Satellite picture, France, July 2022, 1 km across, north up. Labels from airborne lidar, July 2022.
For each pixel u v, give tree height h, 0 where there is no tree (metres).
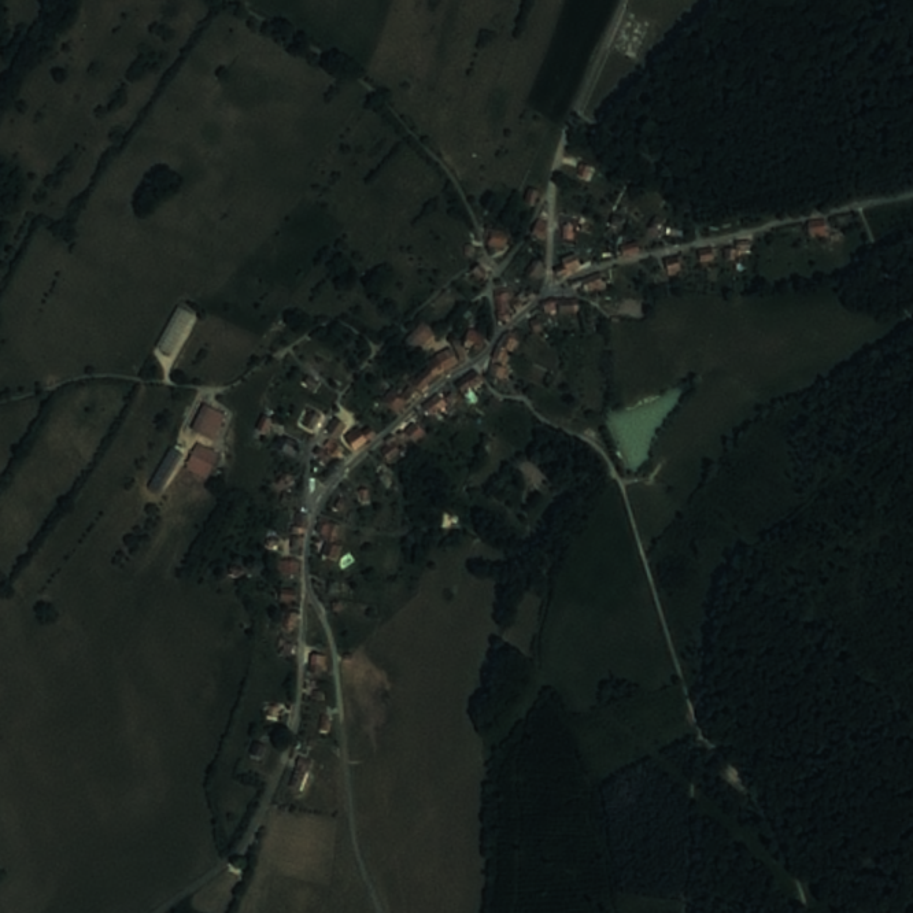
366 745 0
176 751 0
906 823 30
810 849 31
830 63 24
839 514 7
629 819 17
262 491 9
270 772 0
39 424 8
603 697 12
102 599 0
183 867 0
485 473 0
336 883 0
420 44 0
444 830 0
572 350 0
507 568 19
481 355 0
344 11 0
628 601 0
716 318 0
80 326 0
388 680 0
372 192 0
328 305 0
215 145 0
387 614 0
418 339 0
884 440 18
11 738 0
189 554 8
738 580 26
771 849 26
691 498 7
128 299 0
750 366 0
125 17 8
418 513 9
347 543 0
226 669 0
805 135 22
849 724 27
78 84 0
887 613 10
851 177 19
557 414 0
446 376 0
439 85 0
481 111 0
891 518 10
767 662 30
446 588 0
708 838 29
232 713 7
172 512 0
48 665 0
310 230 0
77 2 23
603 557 0
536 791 7
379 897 0
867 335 0
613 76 0
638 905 0
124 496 0
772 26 26
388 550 0
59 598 0
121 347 0
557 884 5
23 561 12
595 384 0
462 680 0
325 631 0
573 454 10
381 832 0
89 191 9
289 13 0
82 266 0
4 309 0
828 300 0
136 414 0
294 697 9
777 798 28
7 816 0
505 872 7
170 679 0
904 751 27
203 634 0
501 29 0
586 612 0
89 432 0
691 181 23
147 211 20
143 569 0
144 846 0
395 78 0
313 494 0
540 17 0
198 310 10
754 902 27
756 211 12
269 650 0
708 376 0
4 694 0
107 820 0
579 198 6
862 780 25
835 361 0
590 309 7
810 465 23
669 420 7
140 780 0
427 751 0
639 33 0
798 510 7
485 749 0
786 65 28
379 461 0
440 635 0
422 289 0
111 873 0
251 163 0
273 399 0
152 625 0
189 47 8
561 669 0
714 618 22
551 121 0
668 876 16
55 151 0
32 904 0
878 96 26
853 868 26
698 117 23
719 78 25
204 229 0
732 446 9
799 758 28
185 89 0
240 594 7
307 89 0
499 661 29
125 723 0
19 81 14
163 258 0
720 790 26
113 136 7
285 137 0
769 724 27
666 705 0
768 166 26
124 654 0
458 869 0
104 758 0
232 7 13
